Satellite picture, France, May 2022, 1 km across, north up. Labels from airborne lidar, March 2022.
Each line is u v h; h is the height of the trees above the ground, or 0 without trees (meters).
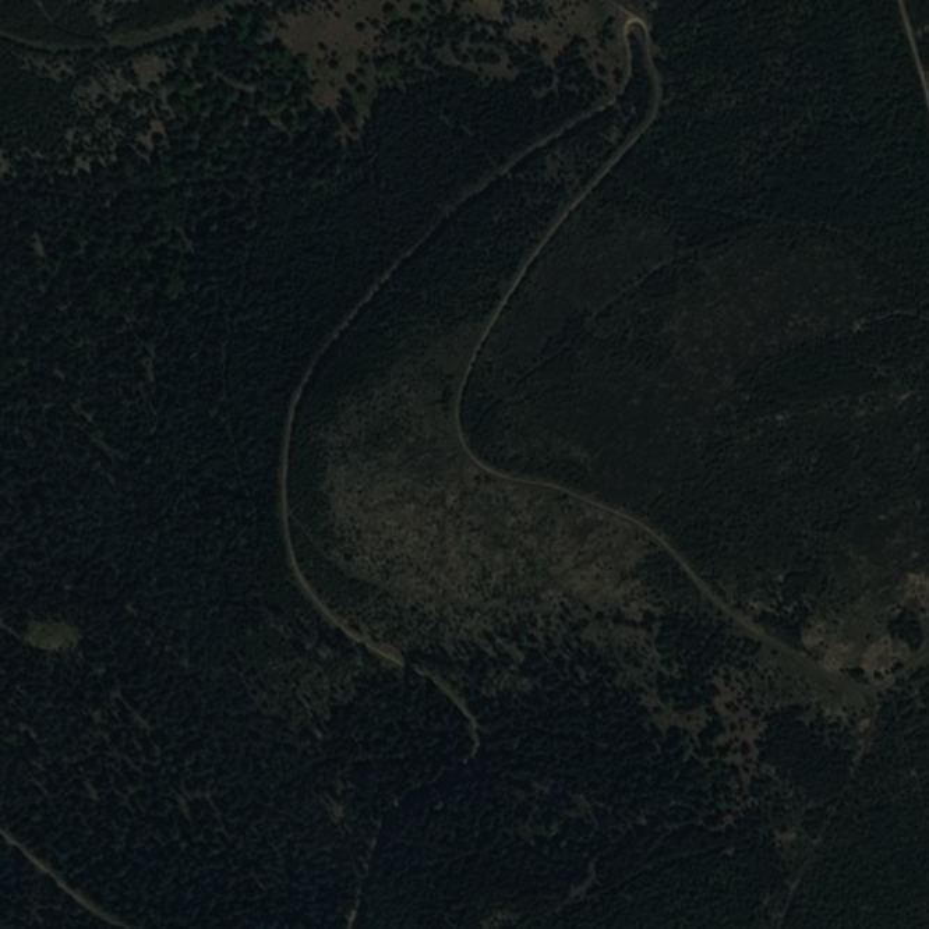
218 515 24
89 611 26
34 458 22
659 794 20
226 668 21
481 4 0
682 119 6
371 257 8
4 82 8
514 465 6
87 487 26
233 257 19
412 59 11
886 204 10
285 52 22
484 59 9
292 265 11
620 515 0
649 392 0
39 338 24
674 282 6
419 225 17
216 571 25
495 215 10
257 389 18
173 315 24
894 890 6
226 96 17
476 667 12
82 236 18
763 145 8
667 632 15
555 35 0
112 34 7
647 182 10
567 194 7
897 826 6
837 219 9
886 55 9
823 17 11
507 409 6
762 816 10
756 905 9
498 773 25
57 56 8
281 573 11
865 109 10
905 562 0
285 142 21
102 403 19
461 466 0
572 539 0
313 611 8
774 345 0
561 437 0
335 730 15
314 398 11
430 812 13
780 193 10
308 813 33
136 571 18
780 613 8
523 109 11
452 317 6
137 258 22
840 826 7
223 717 26
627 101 13
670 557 6
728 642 7
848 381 8
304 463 6
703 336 0
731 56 7
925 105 9
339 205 12
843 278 0
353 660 7
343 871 28
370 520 0
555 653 13
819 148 10
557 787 25
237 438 8
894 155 11
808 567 7
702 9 11
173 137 16
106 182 20
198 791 26
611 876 15
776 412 6
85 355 10
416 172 13
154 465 12
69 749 15
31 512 36
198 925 30
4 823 29
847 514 7
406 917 27
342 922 27
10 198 24
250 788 31
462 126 11
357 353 12
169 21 10
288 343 11
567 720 22
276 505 13
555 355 6
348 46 0
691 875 12
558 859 12
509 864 19
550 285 0
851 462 6
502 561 0
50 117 10
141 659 26
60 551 18
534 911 7
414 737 31
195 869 29
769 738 9
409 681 18
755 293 0
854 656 0
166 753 28
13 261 30
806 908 7
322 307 14
